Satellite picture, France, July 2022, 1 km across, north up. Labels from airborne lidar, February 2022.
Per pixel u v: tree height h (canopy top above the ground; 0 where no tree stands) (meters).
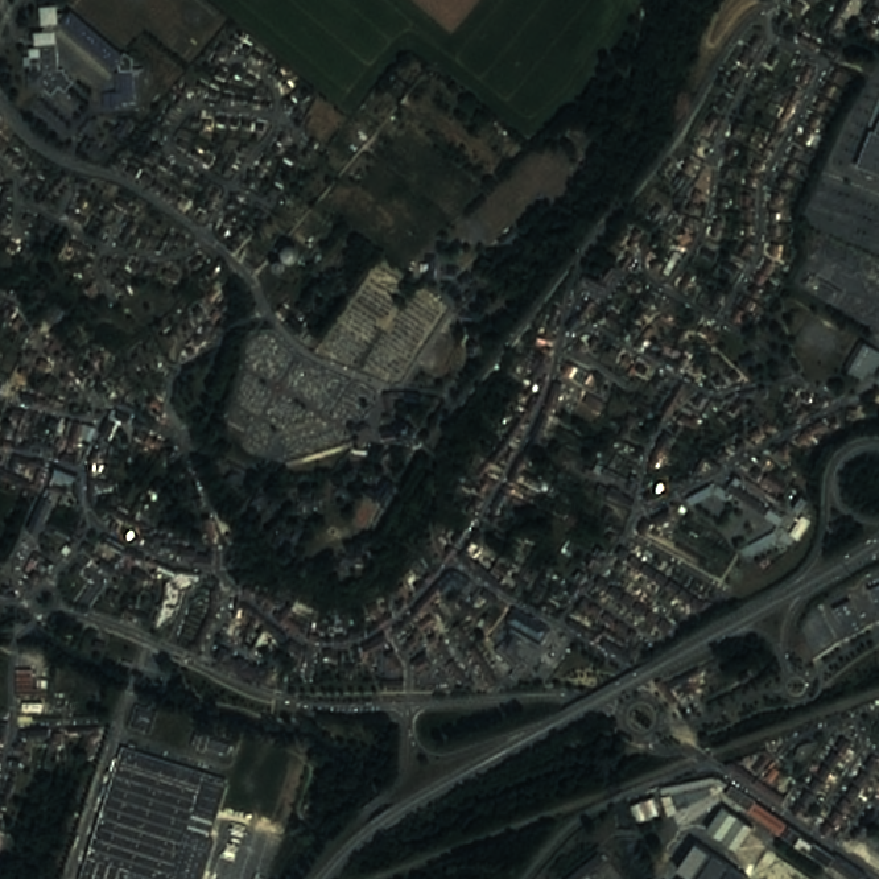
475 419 9
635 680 0
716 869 0
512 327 15
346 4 0
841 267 0
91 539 10
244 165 0
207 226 0
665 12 13
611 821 0
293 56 0
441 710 0
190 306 6
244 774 0
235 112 0
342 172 0
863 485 7
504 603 0
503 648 0
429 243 0
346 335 0
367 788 18
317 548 0
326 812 7
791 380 0
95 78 0
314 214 0
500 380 12
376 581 6
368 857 16
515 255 12
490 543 14
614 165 18
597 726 14
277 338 0
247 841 0
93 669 15
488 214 0
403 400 10
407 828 11
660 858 0
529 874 0
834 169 0
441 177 0
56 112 7
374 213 0
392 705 0
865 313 0
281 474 13
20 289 10
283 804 0
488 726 24
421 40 0
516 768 17
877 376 6
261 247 0
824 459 16
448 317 0
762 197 0
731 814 0
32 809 18
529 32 0
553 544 0
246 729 22
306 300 13
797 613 0
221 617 0
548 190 0
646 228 6
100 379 7
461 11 0
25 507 16
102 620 0
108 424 0
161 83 0
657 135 14
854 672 0
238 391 0
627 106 12
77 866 0
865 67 0
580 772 16
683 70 7
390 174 0
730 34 0
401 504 11
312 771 0
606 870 0
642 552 0
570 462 0
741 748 0
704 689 0
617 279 0
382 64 0
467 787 12
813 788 0
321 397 0
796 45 0
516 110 0
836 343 0
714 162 0
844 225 0
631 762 8
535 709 0
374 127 0
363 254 16
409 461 0
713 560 0
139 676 15
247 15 0
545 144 10
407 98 0
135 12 0
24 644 10
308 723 20
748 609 0
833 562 0
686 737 0
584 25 0
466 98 14
